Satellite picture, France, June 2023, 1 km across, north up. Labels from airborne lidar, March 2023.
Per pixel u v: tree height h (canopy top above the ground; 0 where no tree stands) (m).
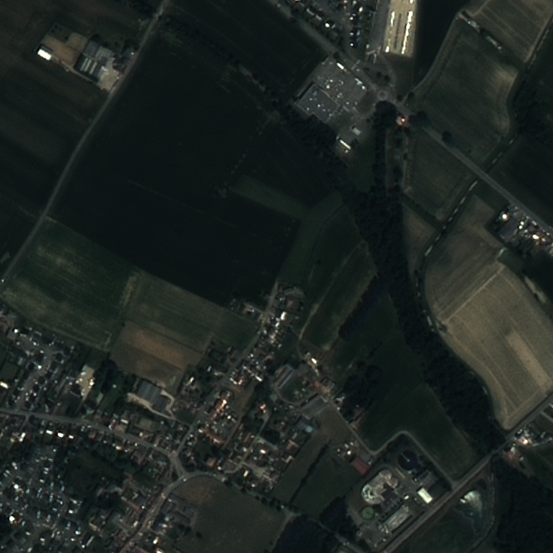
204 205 0
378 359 0
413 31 0
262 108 0
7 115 0
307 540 31
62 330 0
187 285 0
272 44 0
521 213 0
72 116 0
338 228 0
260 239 0
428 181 0
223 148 0
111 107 0
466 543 0
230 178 0
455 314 0
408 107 0
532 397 0
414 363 0
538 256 0
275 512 0
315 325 0
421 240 0
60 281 0
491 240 0
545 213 0
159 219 0
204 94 0
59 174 0
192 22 0
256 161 0
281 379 0
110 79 0
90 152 0
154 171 0
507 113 0
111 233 0
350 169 0
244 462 0
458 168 0
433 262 0
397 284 7
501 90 0
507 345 0
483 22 0
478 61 0
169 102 0
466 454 0
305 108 0
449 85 0
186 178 0
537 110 6
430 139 0
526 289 0
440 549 0
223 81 0
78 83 0
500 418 0
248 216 0
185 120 0
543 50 0
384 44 0
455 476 0
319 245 0
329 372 0
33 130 0
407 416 0
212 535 0
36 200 0
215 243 0
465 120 0
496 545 9
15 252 0
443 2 0
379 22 0
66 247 0
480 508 0
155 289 0
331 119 0
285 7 0
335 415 0
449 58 0
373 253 10
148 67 0
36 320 0
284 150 0
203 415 0
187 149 0
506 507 0
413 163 0
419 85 0
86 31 0
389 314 0
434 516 0
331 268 0
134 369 0
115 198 0
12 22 0
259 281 0
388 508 0
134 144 0
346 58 0
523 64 0
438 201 0
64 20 0
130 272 0
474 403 15
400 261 14
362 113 0
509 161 0
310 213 0
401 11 0
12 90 0
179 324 0
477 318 0
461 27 0
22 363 0
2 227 0
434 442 0
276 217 0
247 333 0
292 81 0
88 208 0
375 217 16
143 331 0
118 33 0
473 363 0
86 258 0
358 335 0
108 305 0
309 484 0
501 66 0
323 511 0
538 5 0
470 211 0
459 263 0
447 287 0
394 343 0
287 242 0
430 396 0
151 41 0
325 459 0
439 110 0
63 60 0
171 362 0
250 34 0
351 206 10
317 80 0
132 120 0
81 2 0
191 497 0
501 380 0
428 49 0
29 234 0
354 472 0
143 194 0
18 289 0
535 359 0
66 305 0
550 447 0
